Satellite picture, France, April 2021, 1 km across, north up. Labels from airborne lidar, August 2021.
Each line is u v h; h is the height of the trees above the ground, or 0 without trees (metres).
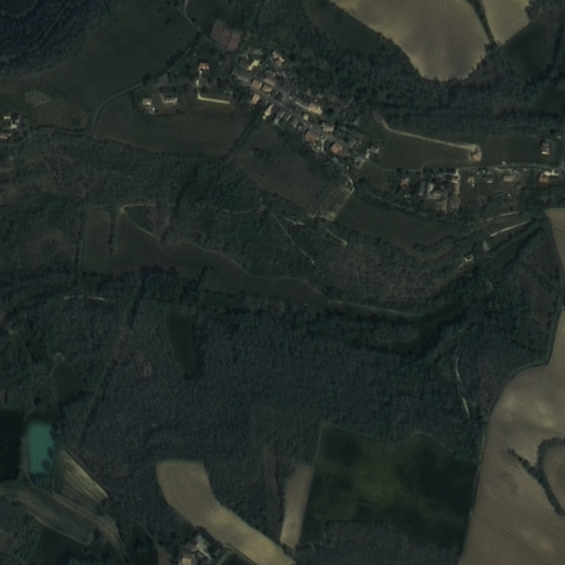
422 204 6
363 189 14
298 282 0
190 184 7
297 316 18
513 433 0
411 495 0
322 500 0
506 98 12
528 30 0
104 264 0
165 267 0
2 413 0
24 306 13
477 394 14
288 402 18
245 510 7
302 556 15
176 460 13
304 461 12
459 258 18
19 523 19
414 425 15
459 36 0
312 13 0
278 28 10
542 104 0
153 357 9
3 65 7
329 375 22
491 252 14
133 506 18
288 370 22
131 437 10
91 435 17
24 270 9
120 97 0
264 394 12
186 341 0
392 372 19
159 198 22
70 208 10
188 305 24
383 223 0
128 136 0
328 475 0
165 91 12
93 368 20
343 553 12
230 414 13
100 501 0
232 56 11
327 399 22
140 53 0
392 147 0
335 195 0
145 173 16
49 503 0
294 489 0
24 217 6
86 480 0
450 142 0
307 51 16
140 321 21
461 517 0
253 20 8
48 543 0
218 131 0
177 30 0
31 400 19
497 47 13
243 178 9
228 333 12
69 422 20
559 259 0
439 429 20
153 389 20
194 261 0
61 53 18
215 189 6
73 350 19
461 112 18
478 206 9
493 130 14
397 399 19
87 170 15
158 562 0
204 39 11
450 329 21
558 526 0
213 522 0
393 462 0
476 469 0
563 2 21
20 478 15
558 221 0
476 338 12
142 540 0
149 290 31
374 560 14
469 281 8
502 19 0
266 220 18
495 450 0
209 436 17
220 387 18
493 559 0
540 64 0
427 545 12
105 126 0
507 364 13
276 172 0
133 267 0
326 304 0
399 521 0
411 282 9
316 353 17
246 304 20
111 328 17
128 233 0
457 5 0
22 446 15
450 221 9
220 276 0
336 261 14
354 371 20
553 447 7
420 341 0
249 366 21
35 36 18
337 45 19
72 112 0
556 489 0
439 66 0
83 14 14
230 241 6
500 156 0
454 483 0
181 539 9
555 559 0
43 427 0
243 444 17
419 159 0
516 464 0
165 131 0
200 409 19
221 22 0
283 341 26
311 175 0
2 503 19
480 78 0
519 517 0
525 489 0
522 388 0
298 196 0
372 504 0
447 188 13
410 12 0
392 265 14
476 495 0
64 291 12
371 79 14
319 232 18
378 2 0
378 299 14
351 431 12
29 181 19
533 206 12
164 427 10
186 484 0
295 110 8
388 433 18
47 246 6
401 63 12
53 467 20
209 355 24
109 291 23
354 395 18
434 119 20
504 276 10
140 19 0
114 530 0
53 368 0
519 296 7
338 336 22
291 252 15
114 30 0
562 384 0
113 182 9
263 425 14
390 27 0
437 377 8
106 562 15
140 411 14
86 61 0
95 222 0
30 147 15
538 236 16
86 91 0
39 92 0
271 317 15
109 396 19
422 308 15
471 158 0
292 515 0
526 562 0
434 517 0
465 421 6
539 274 7
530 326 12
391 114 12
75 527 0
